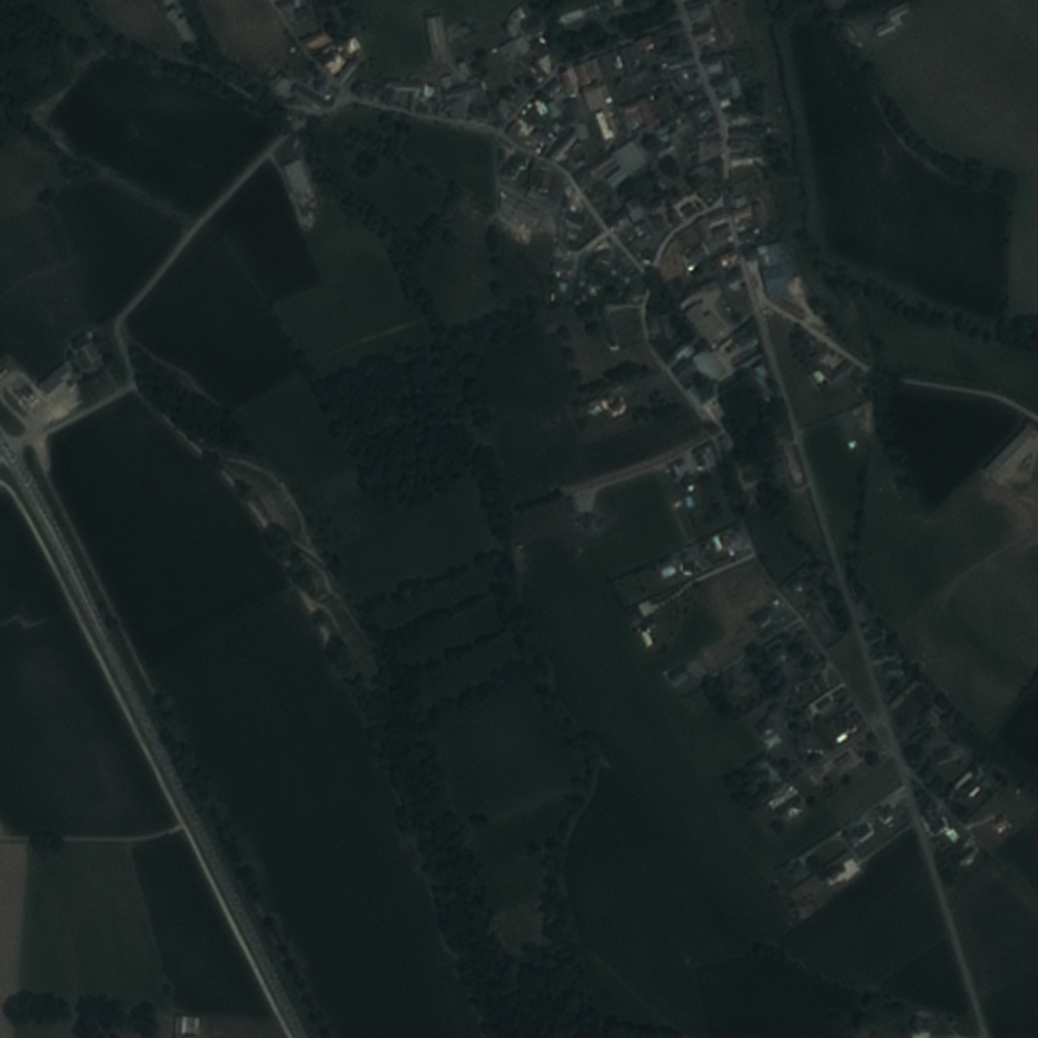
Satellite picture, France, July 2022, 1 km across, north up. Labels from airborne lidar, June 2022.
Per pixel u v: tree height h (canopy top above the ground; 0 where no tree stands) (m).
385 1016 0
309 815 0
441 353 17
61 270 0
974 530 0
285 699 0
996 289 0
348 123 0
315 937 0
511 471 0
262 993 0
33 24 19
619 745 0
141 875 0
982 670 0
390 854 0
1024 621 0
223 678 0
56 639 0
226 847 13
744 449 15
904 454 14
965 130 0
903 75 0
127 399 0
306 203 0
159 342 0
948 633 0
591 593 0
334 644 12
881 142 0
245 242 0
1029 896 0
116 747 0
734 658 0
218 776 0
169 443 0
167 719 13
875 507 0
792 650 14
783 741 0
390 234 20
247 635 0
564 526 0
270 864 0
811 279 0
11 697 0
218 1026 0
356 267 0
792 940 0
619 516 0
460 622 0
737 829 0
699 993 0
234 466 0
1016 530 0
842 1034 0
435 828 17
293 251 0
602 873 0
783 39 0
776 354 0
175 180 0
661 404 9
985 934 0
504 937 0
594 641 0
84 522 0
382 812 0
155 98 0
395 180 0
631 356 0
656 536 0
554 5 15
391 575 0
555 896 19
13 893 0
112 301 0
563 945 21
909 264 0
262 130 0
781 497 14
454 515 0
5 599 0
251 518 0
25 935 0
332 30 9
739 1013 0
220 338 0
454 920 23
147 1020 24
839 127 0
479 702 15
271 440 0
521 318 14
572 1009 19
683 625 0
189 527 0
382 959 0
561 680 0
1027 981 0
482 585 0
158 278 0
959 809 11
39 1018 21
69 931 0
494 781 0
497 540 14
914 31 0
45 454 0
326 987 0
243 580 0
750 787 11
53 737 0
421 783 23
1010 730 0
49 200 13
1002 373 0
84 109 0
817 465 0
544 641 0
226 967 0
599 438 0
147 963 0
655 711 0
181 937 0
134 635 0
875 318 0
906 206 0
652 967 0
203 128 0
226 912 0
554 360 0
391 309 0
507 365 0
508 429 0
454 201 8
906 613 0
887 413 14
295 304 0
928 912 0
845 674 0
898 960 0
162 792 0
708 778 0
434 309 16
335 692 0
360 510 0
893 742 0
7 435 0
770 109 0
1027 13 0
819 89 0
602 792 0
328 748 0
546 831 0
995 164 0
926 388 0
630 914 0
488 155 0
